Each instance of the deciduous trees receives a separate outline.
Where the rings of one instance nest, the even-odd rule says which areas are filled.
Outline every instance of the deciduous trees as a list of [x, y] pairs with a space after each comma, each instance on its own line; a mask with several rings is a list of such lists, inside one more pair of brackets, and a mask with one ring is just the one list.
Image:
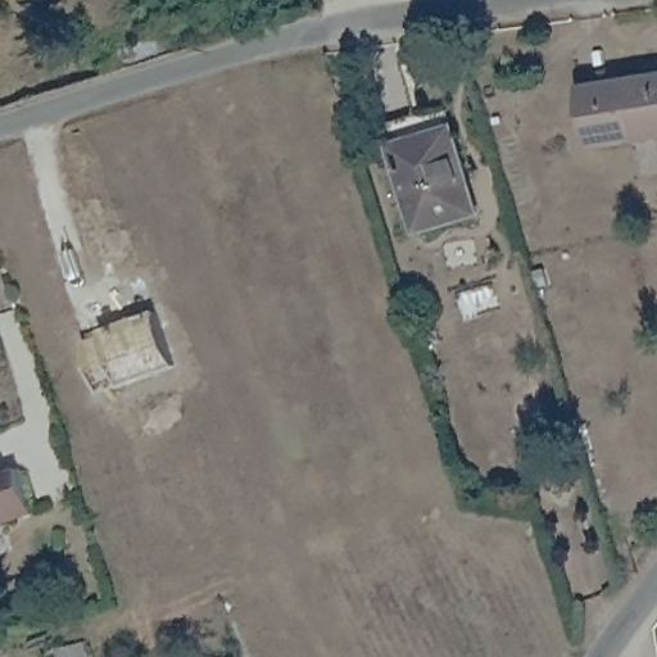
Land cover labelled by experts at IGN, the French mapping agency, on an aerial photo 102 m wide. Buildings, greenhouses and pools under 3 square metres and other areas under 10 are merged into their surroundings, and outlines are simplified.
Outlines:
[[98, 74], [121, 69], [123, 64], [121, 56], [115, 56], [115, 51], [123, 46], [136, 46], [139, 41], [157, 41], [159, 49], [167, 46], [167, 54], [216, 44], [221, 38], [236, 38], [239, 46], [249, 46], [249, 41], [254, 38], [264, 38], [264, 31], [285, 26], [300, 15], [313, 13], [308, 0], [126, 0], [123, 10], [131, 21], [131, 28], [126, 33], [92, 26], [82, 5], [67, 13], [77, 36], [85, 36], [85, 51], [72, 62], [80, 72], [90, 69]]
[[572, 601], [575, 590], [565, 570], [567, 552], [554, 544], [549, 549], [549, 557], [544, 559], [559, 616], [577, 603]]
[[408, 349], [411, 359], [429, 349], [431, 331], [436, 329], [436, 321], [441, 316], [441, 298], [434, 282], [423, 275], [403, 272], [390, 287], [388, 323], [400, 339], [400, 344]]
[[542, 85], [544, 59], [534, 51], [518, 51], [508, 64], [495, 62], [493, 67], [493, 72], [503, 77], [506, 90], [521, 92]]
[[644, 239], [652, 239], [657, 244], [657, 205], [647, 208], [644, 221], [634, 216], [613, 218], [613, 231], [621, 241], [644, 244]]
[[87, 593], [85, 583], [74, 585], [72, 577], [59, 575], [49, 580], [33, 577], [21, 585], [21, 593], [13, 595], [13, 601], [0, 601], [0, 639], [15, 624], [62, 626], [64, 621], [85, 621], [98, 613], [95, 593]]
[[136, 634], [123, 629], [105, 639], [100, 657], [149, 657], [146, 647], [136, 639]]
[[629, 398], [629, 382], [621, 380], [616, 390], [606, 393], [606, 400], [624, 411]]
[[634, 513], [631, 518], [619, 521], [616, 513], [608, 511], [595, 513], [590, 529], [595, 529], [598, 539], [585, 539], [585, 552], [601, 552], [606, 559], [613, 559], [613, 554], [619, 552], [624, 557], [634, 557], [636, 547], [657, 544], [657, 516]]
[[187, 642], [180, 642], [157, 634], [157, 649], [151, 652], [151, 657], [210, 657], [200, 647], [198, 636], [187, 636]]

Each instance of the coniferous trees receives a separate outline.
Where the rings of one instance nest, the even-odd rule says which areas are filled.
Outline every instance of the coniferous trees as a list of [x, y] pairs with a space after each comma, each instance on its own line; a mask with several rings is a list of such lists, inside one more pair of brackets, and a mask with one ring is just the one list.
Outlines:
[[26, 49], [33, 56], [33, 67], [49, 69], [72, 62], [85, 51], [85, 36], [77, 36], [67, 13], [59, 8], [59, 0], [33, 0], [18, 15]]
[[426, 90], [429, 98], [454, 98], [457, 85], [465, 85], [485, 67], [493, 67], [495, 62], [490, 59], [488, 49], [493, 28], [472, 33], [467, 18], [426, 18], [423, 23], [411, 23], [400, 36], [398, 62], [408, 67], [416, 90]]
[[585, 439], [580, 434], [583, 418], [577, 413], [577, 398], [572, 395], [559, 400], [554, 398], [549, 385], [542, 385], [536, 395], [529, 395], [518, 408], [516, 457], [531, 457], [547, 480], [557, 467], [583, 470], [590, 465]]
[[388, 131], [388, 123], [380, 121], [380, 113], [385, 108], [382, 77], [377, 74], [380, 54], [357, 49], [349, 54], [336, 54], [329, 59], [326, 74], [339, 74], [334, 136], [341, 144], [344, 159], [372, 159], [380, 157], [382, 144], [382, 133]]

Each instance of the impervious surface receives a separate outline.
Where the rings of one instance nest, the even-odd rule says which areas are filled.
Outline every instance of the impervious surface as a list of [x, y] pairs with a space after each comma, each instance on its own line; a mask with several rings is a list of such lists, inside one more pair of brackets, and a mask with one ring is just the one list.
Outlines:
[[441, 105], [439, 110], [426, 110], [421, 115], [408, 115], [388, 123], [388, 131], [400, 131], [429, 121], [431, 126], [449, 126], [452, 133], [457, 133], [457, 131], [459, 131], [452, 105]]
[[385, 108], [395, 110], [403, 105], [416, 105], [416, 90], [408, 67], [398, 62], [400, 36], [411, 23], [423, 23], [426, 18], [467, 18], [472, 33], [493, 28], [493, 18], [524, 23], [534, 13], [544, 13], [547, 3], [554, 13], [598, 13], [611, 8], [647, 5], [652, 0], [411, 0], [339, 13], [321, 23], [293, 26], [290, 31], [285, 31], [285, 26], [264, 31], [264, 38], [254, 38], [249, 41], [249, 46], [239, 46], [205, 51], [200, 56], [182, 59], [144, 74], [128, 74], [100, 87], [82, 90], [69, 98], [59, 98], [0, 118], [0, 136], [38, 126], [56, 128], [74, 115], [100, 110], [123, 100], [133, 100], [141, 95], [154, 95], [172, 85], [182, 85], [190, 80], [190, 74], [208, 77], [223, 69], [236, 69], [313, 49], [321, 49], [321, 54], [336, 54], [349, 54], [357, 49], [380, 54], [377, 74], [382, 77]]
[[480, 287], [459, 295], [459, 311], [465, 318], [475, 318], [477, 311], [495, 305], [495, 295], [488, 287]]
[[475, 262], [472, 241], [452, 241], [444, 252], [449, 267]]
[[626, 644], [642, 626], [644, 616], [652, 616], [657, 621], [657, 570], [634, 590], [634, 595], [626, 601], [619, 616], [608, 624], [590, 657], [629, 657]]
[[121, 69], [149, 64], [167, 54], [167, 46], [159, 49], [157, 41], [139, 41], [136, 46], [123, 46], [115, 51], [115, 56], [121, 56], [123, 64]]

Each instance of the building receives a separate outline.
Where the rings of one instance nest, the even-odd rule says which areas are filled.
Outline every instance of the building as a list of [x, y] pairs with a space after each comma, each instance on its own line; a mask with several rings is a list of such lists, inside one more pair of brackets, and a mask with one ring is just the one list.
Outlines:
[[0, 472], [0, 526], [15, 526], [26, 511], [26, 508], [23, 508], [23, 500], [26, 500], [26, 498], [33, 498], [33, 495], [36, 495], [31, 475], [23, 465], [15, 465], [13, 475], [8, 470]]
[[470, 175], [470, 177], [465, 177], [462, 162], [459, 162], [459, 149], [457, 149], [457, 144], [452, 144], [452, 133], [449, 126], [431, 126], [429, 121], [400, 131], [388, 131], [382, 133], [382, 144], [388, 154], [388, 167], [393, 169], [393, 182], [400, 185], [398, 200], [403, 218], [411, 228], [418, 231], [426, 226], [459, 218], [465, 213], [472, 213], [477, 205], [472, 175]]
[[80, 339], [72, 344], [77, 380], [85, 388], [90, 403], [98, 405], [103, 398], [113, 395], [115, 388], [157, 377], [164, 372], [167, 364], [172, 364], [172, 352], [159, 323], [159, 313], [154, 308], [149, 313], [115, 321], [110, 323], [110, 329], [103, 329], [90, 339]]
[[570, 87], [570, 115], [577, 115], [575, 123], [580, 126], [583, 144], [603, 144], [621, 139], [621, 133], [639, 133], [639, 144], [652, 141], [657, 146], [657, 74], [642, 72], [598, 82], [572, 80]]

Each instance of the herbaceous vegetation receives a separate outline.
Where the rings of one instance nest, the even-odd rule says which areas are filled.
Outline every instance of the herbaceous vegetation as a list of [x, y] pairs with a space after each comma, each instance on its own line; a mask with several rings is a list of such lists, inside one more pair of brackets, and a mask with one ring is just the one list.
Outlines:
[[23, 405], [8, 354], [0, 359], [0, 434], [23, 423]]
[[72, 62], [49, 69], [33, 67], [33, 56], [26, 49], [18, 15], [33, 0], [0, 0], [0, 108], [82, 80], [92, 80], [98, 74], [90, 69], [80, 72]]
[[583, 493], [580, 480], [575, 480], [567, 490], [542, 490], [542, 506], [557, 513], [559, 536], [554, 544], [567, 552], [565, 570], [575, 590], [572, 601], [577, 603], [588, 603], [583, 642], [567, 642], [559, 616], [544, 559], [536, 549], [534, 526], [529, 521], [459, 511], [452, 480], [439, 457], [436, 434], [411, 359], [408, 349], [400, 344], [400, 339], [388, 323], [390, 287], [372, 241], [362, 198], [352, 180], [352, 169], [344, 164], [344, 159], [341, 144], [334, 136], [339, 74], [326, 74], [329, 59], [336, 54], [321, 54], [321, 49], [313, 49], [236, 69], [223, 69], [208, 77], [190, 74], [190, 80], [182, 85], [172, 85], [154, 95], [141, 95], [133, 100], [123, 100], [100, 110], [74, 115], [56, 128], [56, 167], [62, 187], [67, 192], [72, 223], [82, 241], [82, 249], [77, 252], [82, 272], [87, 277], [85, 285], [92, 285], [103, 277], [103, 264], [113, 264], [115, 277], [141, 277], [146, 282], [146, 293], [141, 298], [151, 300], [154, 308], [159, 313], [159, 323], [172, 352], [172, 364], [167, 364], [164, 372], [157, 377], [115, 388], [113, 395], [103, 398], [98, 405], [90, 403], [85, 388], [77, 380], [72, 344], [80, 339], [82, 326], [77, 321], [74, 305], [64, 287], [64, 275], [54, 257], [54, 241], [41, 208], [38, 182], [26, 139], [0, 141], [0, 267], [5, 275], [13, 275], [21, 282], [21, 305], [26, 305], [31, 313], [36, 339], [54, 377], [62, 411], [69, 423], [72, 457], [82, 475], [82, 493], [87, 506], [95, 511], [98, 544], [103, 547], [108, 567], [113, 572], [118, 606], [105, 613], [98, 613], [85, 621], [64, 621], [62, 626], [15, 624], [0, 639], [0, 657], [100, 657], [105, 639], [123, 629], [136, 634], [136, 639], [146, 647], [149, 657], [151, 657], [151, 652], [157, 649], [157, 634], [180, 642], [187, 642], [187, 636], [198, 636], [200, 647], [210, 657], [590, 657], [608, 624], [619, 616], [626, 601], [634, 595], [634, 590], [657, 570], [657, 544], [636, 547], [634, 557], [624, 557], [619, 552], [613, 554], [613, 559], [619, 565], [619, 572], [626, 577], [626, 585], [611, 595], [608, 583], [603, 583], [606, 559], [601, 552], [585, 552], [585, 539], [598, 539], [595, 529], [590, 529], [595, 513], [588, 513], [585, 500], [577, 498]]
[[[583, 144], [580, 126], [575, 123], [577, 115], [570, 115], [570, 87], [572, 80], [598, 82], [642, 72], [657, 74], [657, 0], [652, 0], [647, 5], [611, 8], [598, 13], [554, 13], [547, 3], [544, 13], [534, 13], [524, 23], [493, 18], [493, 28], [488, 49], [490, 59], [495, 62], [508, 64], [518, 51], [534, 51], [544, 59], [542, 85], [521, 92], [506, 90], [485, 100], [488, 121], [495, 131], [503, 169], [516, 198], [524, 239], [534, 254], [534, 264], [529, 267], [534, 272], [539, 298], [547, 303], [552, 326], [557, 331], [572, 395], [577, 398], [577, 413], [583, 418], [580, 434], [585, 439], [590, 465], [595, 472], [601, 500], [608, 511], [616, 513], [619, 521], [631, 518], [634, 513], [657, 516], [657, 244], [652, 239], [644, 239], [644, 244], [621, 241], [613, 231], [613, 218], [634, 216], [644, 221], [647, 208], [657, 205], [657, 146], [652, 141], [639, 144], [639, 133], [621, 133], [621, 139], [603, 144]], [[621, 380], [629, 382], [629, 398], [624, 411], [606, 400], [606, 393], [616, 390]]]
[[67, 13], [82, 5], [92, 26], [126, 33], [131, 28], [131, 21], [123, 10], [126, 0], [59, 0], [59, 8]]
[[[33, 544], [36, 531], [51, 529], [56, 524], [64, 526], [67, 554], [38, 549]], [[72, 577], [74, 585], [85, 583], [87, 593], [95, 593], [98, 577], [87, 557], [85, 529], [74, 524], [72, 511], [62, 495], [51, 498], [51, 508], [49, 508], [46, 513], [28, 513], [28, 511], [26, 511], [15, 526], [0, 526], [0, 601], [13, 601], [13, 595], [21, 593], [21, 585], [33, 577], [49, 580], [59, 575]]]
[[[526, 267], [524, 257], [511, 252], [508, 236], [498, 228], [498, 221], [493, 226], [485, 223], [482, 208], [477, 205], [472, 213], [465, 213], [459, 218], [426, 226], [418, 231], [411, 228], [403, 218], [398, 200], [400, 185], [393, 182], [393, 169], [388, 167], [388, 154], [382, 144], [380, 157], [372, 159], [372, 182], [377, 187], [390, 241], [395, 246], [403, 272], [423, 275], [434, 282], [441, 298], [441, 316], [436, 321], [436, 329], [431, 331], [429, 349], [436, 352], [441, 359], [449, 421], [454, 426], [457, 441], [467, 459], [482, 470], [482, 480], [490, 488], [518, 485], [518, 472], [511, 470], [516, 465], [516, 457], [518, 408], [529, 395], [536, 395], [542, 385], [534, 372], [521, 372], [516, 364], [513, 349], [518, 341], [531, 341], [536, 336], [536, 318], [521, 280], [521, 267]], [[475, 262], [449, 267], [444, 252], [452, 241], [472, 241]], [[495, 305], [477, 311], [475, 318], [465, 318], [459, 311], [459, 295], [480, 287], [488, 287], [495, 295]]]

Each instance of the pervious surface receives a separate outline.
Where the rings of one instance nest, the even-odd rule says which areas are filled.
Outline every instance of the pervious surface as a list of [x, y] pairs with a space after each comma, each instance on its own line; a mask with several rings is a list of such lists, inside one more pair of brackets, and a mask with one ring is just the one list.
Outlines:
[[128, 74], [144, 74], [182, 59], [200, 56], [205, 51], [239, 46], [236, 38], [221, 38], [216, 44], [167, 54], [149, 64], [121, 69], [98, 74], [92, 80], [82, 80], [0, 108], [0, 118], [59, 98], [69, 98], [82, 90], [100, 87]]
[[411, 0], [308, 0], [313, 13], [300, 15], [285, 26], [285, 31], [290, 31], [293, 26], [321, 23], [339, 13]]
[[59, 459], [49, 441], [49, 403], [41, 393], [33, 357], [15, 321], [15, 308], [21, 305], [21, 282], [13, 275], [5, 275], [0, 267], [0, 359], [8, 354], [23, 405], [23, 423], [0, 434], [0, 472], [8, 470], [13, 475], [15, 465], [23, 465], [31, 475], [36, 495], [49, 495], [49, 498], [51, 498], [62, 495], [69, 475], [59, 467]]
[[103, 264], [103, 277], [92, 285], [85, 285], [87, 277], [82, 272], [77, 252], [82, 249], [82, 241], [72, 223], [67, 192], [62, 187], [56, 167], [56, 128], [38, 126], [0, 136], [0, 141], [26, 139], [38, 182], [41, 208], [54, 241], [54, 257], [64, 275], [64, 287], [74, 305], [77, 321], [82, 326], [80, 339], [90, 339], [103, 329], [110, 329], [110, 323], [115, 321], [149, 313], [154, 308], [151, 300], [141, 298], [146, 293], [146, 282], [141, 277], [115, 277], [113, 264]]
[[642, 626], [626, 644], [629, 657], [657, 657], [657, 621], [652, 616], [644, 616]]
[[465, 151], [467, 151], [467, 154], [470, 154], [470, 157], [475, 159], [475, 175], [472, 175], [477, 205], [482, 208], [485, 223], [493, 226], [498, 221], [498, 200], [493, 190], [490, 167], [482, 164], [482, 154], [467, 131], [465, 85], [457, 85], [454, 98], [452, 105], [459, 131], [459, 139], [462, 139], [462, 146], [465, 146]]

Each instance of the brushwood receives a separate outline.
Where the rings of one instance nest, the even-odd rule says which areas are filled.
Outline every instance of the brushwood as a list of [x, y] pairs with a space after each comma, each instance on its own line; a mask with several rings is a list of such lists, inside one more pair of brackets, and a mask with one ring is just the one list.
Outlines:
[[33, 495], [33, 498], [26, 498], [26, 500], [23, 500], [23, 508], [26, 508], [26, 511], [28, 511], [28, 513], [46, 513], [49, 508], [51, 508], [51, 498], [49, 498], [49, 495], [36, 495]]
[[441, 105], [452, 105], [454, 98], [429, 98], [426, 90], [416, 90], [416, 105], [403, 105], [395, 110], [385, 108], [380, 113], [380, 121], [388, 123], [408, 115], [421, 115], [426, 110], [439, 110]]
[[542, 385], [549, 385], [554, 398], [559, 400], [572, 395], [557, 331], [552, 326], [547, 303], [539, 298], [534, 272], [529, 267], [534, 264], [534, 254], [524, 239], [516, 198], [503, 169], [495, 131], [488, 121], [485, 100], [506, 90], [503, 77], [493, 72], [493, 67], [485, 67], [465, 85], [467, 131], [482, 154], [482, 164], [490, 167], [493, 190], [498, 200], [498, 221], [498, 228], [508, 236], [511, 252], [524, 257], [526, 267], [521, 267], [521, 280], [536, 318], [536, 336], [531, 341], [518, 341], [513, 349], [516, 364], [521, 372], [534, 372]]
[[38, 549], [67, 554], [64, 526], [56, 524], [51, 529], [36, 531], [33, 544]]
[[395, 246], [390, 241], [377, 187], [372, 182], [372, 159], [344, 159], [344, 164], [352, 169], [352, 180], [362, 198], [372, 241], [390, 287], [403, 272]]
[[470, 175], [472, 175], [475, 175], [475, 159], [470, 157], [470, 154], [467, 154], [467, 151], [465, 151], [465, 146], [462, 146], [462, 139], [459, 139], [459, 131], [457, 131], [457, 133], [452, 133], [452, 144], [457, 144], [457, 149], [459, 149], [459, 162], [462, 162], [465, 177], [470, 177]]
[[606, 559], [603, 583], [608, 583], [611, 595], [626, 585], [626, 577], [619, 572], [619, 565], [613, 559]]
[[559, 616], [567, 642], [583, 642], [588, 603], [577, 603]]
[[457, 441], [454, 426], [449, 421], [441, 359], [436, 352], [429, 349], [411, 359], [436, 434], [439, 457], [452, 480], [459, 511], [529, 521], [534, 526], [536, 549], [544, 559], [549, 557], [549, 549], [554, 544], [559, 536], [557, 513], [542, 506], [542, 490], [567, 490], [575, 480], [580, 480], [583, 493], [577, 498], [585, 500], [588, 513], [595, 513], [608, 511], [601, 500], [595, 472], [590, 465], [583, 470], [557, 467], [547, 480], [531, 457], [516, 457], [516, 465], [511, 470], [518, 472], [518, 485], [490, 488], [482, 480], [482, 470], [467, 459]]
[[36, 339], [31, 313], [26, 305], [21, 305], [15, 308], [15, 321], [33, 357], [41, 393], [49, 403], [49, 441], [59, 459], [59, 467], [69, 475], [62, 495], [72, 511], [74, 524], [85, 529], [87, 557], [98, 577], [95, 593], [98, 613], [105, 613], [118, 606], [113, 572], [108, 567], [103, 547], [98, 544], [95, 511], [87, 506], [82, 493], [82, 475], [72, 457], [69, 423], [62, 411], [54, 377]]

